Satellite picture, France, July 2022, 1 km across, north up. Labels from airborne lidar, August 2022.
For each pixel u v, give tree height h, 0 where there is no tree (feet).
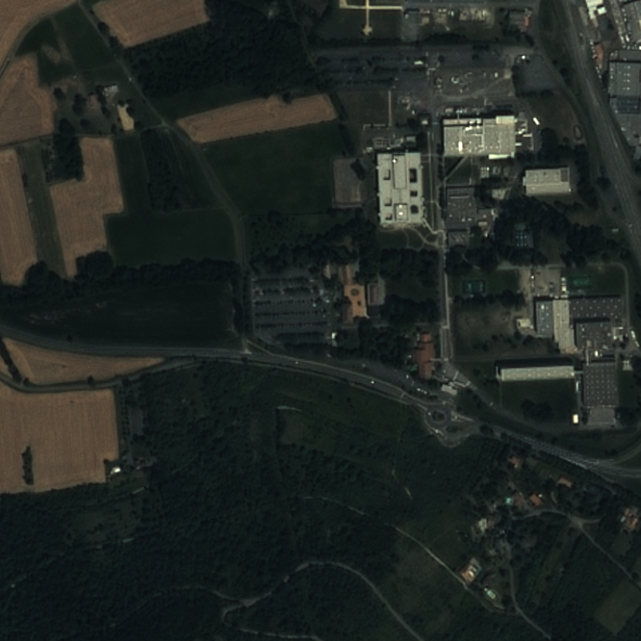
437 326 0
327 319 0
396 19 0
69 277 0
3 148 0
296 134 0
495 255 93
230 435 27
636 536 25
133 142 0
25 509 31
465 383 0
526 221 34
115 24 0
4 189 0
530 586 38
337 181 0
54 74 0
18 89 0
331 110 0
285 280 25
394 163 0
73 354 0
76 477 0
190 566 34
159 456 21
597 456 0
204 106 0
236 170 0
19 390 0
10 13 0
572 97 0
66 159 45
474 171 0
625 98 0
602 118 0
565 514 27
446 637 28
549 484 42
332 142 0
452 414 0
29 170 0
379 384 0
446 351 0
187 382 0
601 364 0
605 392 0
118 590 36
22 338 0
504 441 44
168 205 51
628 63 0
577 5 0
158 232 0
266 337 0
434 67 0
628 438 0
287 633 20
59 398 0
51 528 38
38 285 74
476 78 0
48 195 0
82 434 0
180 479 48
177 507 49
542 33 0
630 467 0
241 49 32
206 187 0
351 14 0
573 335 0
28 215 0
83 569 44
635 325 0
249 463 31
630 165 0
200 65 29
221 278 41
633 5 0
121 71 0
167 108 0
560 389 0
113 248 0
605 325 0
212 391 25
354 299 0
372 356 34
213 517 24
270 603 43
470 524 0
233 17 66
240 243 0
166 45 30
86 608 46
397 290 0
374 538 22
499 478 35
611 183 35
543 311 0
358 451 23
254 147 0
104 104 38
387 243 0
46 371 0
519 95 32
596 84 0
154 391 23
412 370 31
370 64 50
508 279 0
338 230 46
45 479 0
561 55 0
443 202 29
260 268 57
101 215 0
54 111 0
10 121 0
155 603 41
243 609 36
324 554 41
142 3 0
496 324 0
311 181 0
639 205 0
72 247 0
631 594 0
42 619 55
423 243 0
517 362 0
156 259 0
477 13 0
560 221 107
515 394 0
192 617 34
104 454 0
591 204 41
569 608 43
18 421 0
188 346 0
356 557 40
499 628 38
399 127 38
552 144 35
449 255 20
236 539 31
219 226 0
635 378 30
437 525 0
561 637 19
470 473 22
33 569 43
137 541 27
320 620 23
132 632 57
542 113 0
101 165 0
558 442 36
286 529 22
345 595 28
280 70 22
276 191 0
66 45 0
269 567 19
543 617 38
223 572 36
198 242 0
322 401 0
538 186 0
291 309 0
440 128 0
